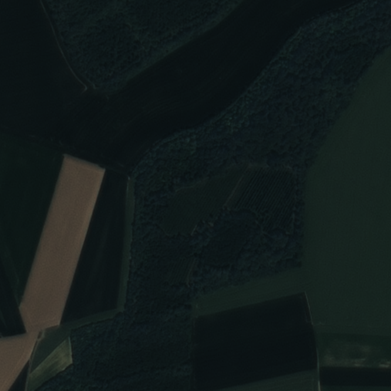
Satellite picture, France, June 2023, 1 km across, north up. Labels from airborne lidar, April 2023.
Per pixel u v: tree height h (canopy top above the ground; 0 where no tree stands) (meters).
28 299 0
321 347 0
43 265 0
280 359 0
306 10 0
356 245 0
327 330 0
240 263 25
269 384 0
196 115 0
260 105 16
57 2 19
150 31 15
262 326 0
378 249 0
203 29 16
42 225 0
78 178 0
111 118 0
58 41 0
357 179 0
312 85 27
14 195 0
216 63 0
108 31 16
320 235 0
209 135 22
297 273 0
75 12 9
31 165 0
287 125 30
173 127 0
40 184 0
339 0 0
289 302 0
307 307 0
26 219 0
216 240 19
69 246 0
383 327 0
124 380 19
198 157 16
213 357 0
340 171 0
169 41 21
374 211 0
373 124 0
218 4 16
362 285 0
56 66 0
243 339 0
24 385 0
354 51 15
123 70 17
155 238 14
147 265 12
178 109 0
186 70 0
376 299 0
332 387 0
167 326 20
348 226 0
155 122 0
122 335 17
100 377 9
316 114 23
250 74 0
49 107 0
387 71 0
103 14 18
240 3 0
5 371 0
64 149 0
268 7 0
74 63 12
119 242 0
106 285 0
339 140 0
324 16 16
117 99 0
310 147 24
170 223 0
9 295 0
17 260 0
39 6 0
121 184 0
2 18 0
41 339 0
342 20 15
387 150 0
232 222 19
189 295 21
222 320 0
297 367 0
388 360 0
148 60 16
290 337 0
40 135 0
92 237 0
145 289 15
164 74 0
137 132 0
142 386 14
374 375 0
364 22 11
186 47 0
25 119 0
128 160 0
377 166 0
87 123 0
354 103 0
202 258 17
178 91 0
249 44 0
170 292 12
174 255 16
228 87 0
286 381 0
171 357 11
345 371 0
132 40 17
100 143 0
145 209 8
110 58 14
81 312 0
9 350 0
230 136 26
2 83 0
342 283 0
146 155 9
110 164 0
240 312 0
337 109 22
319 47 14
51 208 0
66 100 0
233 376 0
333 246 0
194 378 0
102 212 0
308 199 0
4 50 0
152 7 17
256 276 16
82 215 0
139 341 20
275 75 17
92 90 0
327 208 0
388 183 0
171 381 15
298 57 25
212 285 21
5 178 0
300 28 11
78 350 7
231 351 0
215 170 29
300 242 18
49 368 0
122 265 0
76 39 15
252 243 28
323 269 0
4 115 0
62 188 0
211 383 0
